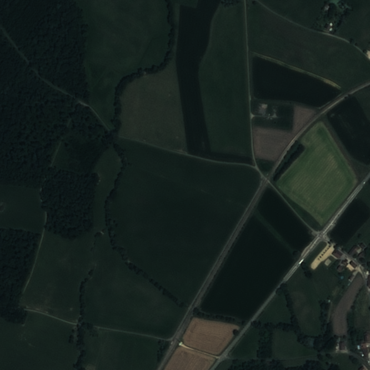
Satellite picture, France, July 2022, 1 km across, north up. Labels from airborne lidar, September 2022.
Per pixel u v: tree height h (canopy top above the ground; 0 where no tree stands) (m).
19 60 23
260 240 0
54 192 17
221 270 0
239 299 0
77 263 0
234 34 0
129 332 0
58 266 0
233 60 0
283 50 0
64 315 0
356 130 0
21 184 14
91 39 0
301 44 0
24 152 22
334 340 18
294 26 0
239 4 10
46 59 16
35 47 23
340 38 0
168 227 0
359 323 0
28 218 0
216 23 0
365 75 0
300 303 0
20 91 11
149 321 0
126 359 0
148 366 0
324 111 0
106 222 12
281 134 0
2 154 22
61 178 17
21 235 15
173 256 0
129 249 0
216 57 0
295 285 0
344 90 0
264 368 7
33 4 13
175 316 0
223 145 0
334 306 0
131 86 0
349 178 0
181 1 0
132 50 0
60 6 25
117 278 0
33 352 0
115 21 0
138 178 0
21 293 15
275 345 0
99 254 0
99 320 0
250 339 0
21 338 0
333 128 0
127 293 0
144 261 0
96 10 0
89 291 0
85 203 18
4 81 20
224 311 0
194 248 0
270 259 0
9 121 17
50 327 0
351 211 0
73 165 7
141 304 0
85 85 15
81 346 16
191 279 0
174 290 0
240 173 0
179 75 0
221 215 0
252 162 0
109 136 21
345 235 0
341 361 0
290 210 0
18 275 23
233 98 0
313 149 0
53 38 23
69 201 10
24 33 11
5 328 0
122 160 6
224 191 0
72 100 17
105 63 0
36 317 0
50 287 0
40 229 0
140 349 0
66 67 28
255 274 0
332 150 0
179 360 0
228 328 0
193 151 0
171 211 0
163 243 0
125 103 0
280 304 0
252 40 0
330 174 0
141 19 0
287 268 0
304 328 0
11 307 25
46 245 0
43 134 13
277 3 0
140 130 0
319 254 0
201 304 0
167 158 0
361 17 0
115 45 0
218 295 0
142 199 0
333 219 0
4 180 18
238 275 0
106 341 0
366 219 0
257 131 0
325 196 0
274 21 0
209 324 0
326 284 0
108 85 0
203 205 0
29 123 23
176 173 0
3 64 23
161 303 0
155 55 0
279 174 12
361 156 0
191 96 0
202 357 0
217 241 0
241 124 0
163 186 0
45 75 15
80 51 16
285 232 0
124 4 0
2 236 22
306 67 0
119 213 0
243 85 0
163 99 0
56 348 0
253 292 0
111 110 0
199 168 0
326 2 11
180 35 0
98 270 0
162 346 11
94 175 14
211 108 0
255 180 0
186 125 0
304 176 0
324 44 0
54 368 0
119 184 12
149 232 0
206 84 0
